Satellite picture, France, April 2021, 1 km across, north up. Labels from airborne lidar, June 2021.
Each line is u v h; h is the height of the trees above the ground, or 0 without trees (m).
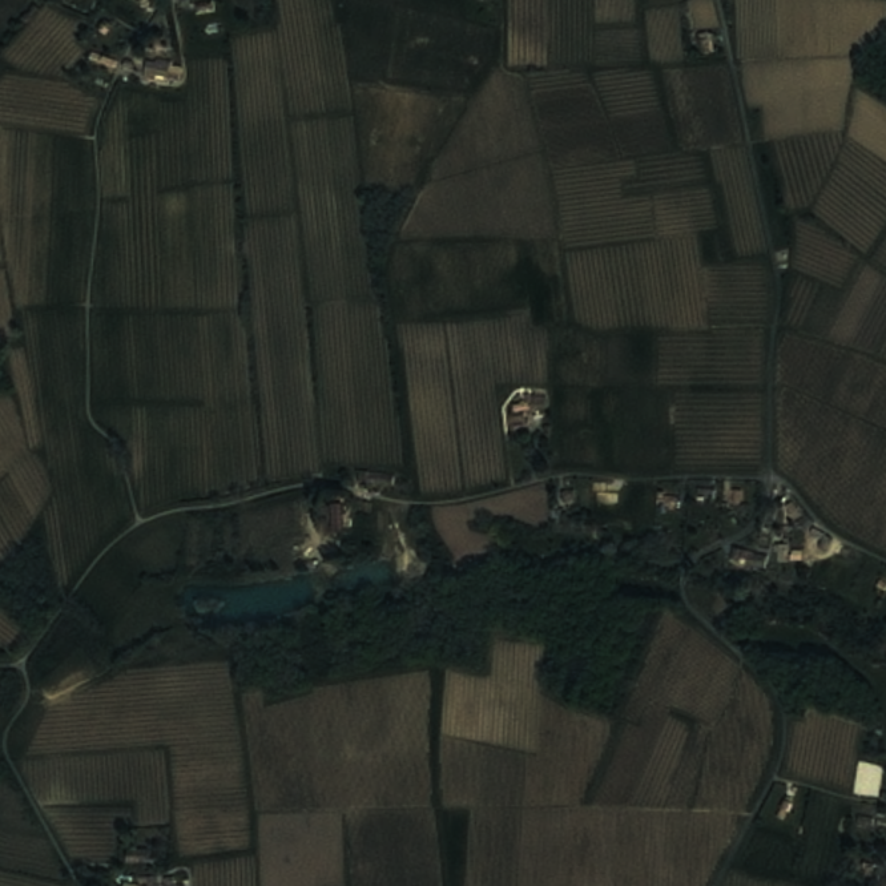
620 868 0
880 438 0
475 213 0
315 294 0
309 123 0
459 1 0
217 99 0
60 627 11
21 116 0
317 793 0
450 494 0
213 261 0
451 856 0
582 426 0
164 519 0
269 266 0
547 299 0
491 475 0
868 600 0
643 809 0
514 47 0
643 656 8
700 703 0
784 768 0
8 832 0
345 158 0
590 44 0
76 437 0
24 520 0
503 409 0
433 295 0
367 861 0
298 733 0
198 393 0
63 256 0
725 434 0
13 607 17
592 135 0
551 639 21
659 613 9
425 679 0
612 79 0
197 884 0
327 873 0
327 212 0
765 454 0
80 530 0
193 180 0
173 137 0
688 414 0
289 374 0
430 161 0
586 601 20
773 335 0
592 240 0
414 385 0
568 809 0
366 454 0
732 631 16
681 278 0
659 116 0
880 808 8
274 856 0
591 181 0
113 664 10
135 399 0
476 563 15
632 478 0
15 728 0
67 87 0
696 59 13
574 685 17
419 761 0
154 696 0
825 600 8
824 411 0
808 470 0
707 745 0
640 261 0
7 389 15
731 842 0
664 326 0
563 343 0
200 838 0
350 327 0
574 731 0
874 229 0
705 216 0
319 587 0
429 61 0
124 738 0
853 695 22
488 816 0
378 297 11
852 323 0
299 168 0
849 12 0
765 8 0
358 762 0
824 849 0
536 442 7
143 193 0
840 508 0
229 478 0
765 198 0
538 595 19
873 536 0
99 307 0
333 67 0
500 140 0
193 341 0
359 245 0
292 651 17
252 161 0
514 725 0
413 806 0
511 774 0
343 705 0
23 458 0
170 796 0
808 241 0
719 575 11
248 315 16
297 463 0
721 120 0
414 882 0
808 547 0
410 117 0
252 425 0
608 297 0
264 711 0
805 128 0
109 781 0
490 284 0
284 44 0
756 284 0
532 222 0
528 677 0
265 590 0
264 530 0
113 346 0
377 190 13
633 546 20
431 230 0
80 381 0
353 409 0
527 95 0
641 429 0
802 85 0
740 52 0
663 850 0
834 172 0
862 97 0
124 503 0
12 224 0
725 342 0
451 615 17
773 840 0
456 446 0
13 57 0
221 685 0
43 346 0
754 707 0
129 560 0
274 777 0
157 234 0
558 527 19
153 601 0
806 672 20
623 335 0
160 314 0
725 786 0
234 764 0
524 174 0
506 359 0
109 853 0
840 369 0
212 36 0
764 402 0
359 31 0
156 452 0
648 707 0
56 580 17
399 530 0
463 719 0
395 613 22
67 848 0
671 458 0
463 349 0
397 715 0
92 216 0
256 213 0
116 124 0
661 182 0
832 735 0
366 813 0
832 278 0
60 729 0
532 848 0
